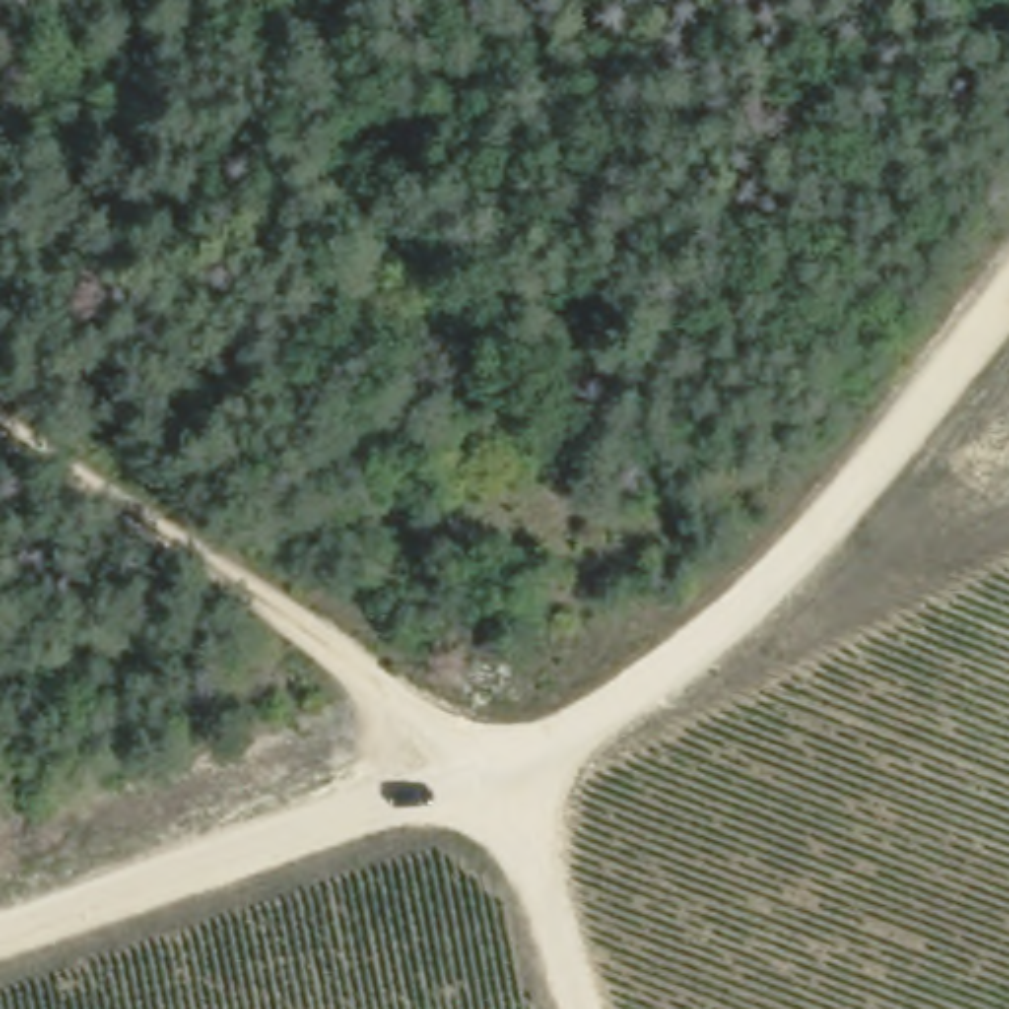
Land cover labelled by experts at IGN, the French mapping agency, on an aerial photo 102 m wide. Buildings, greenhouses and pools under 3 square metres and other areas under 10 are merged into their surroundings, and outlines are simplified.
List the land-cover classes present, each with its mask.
<instances>
[{"label":"coniferous trees","instance_id":"1","mask_svg":"<svg viewBox=\"0 0 1009 1009\"><path fill-rule=\"evenodd\" d=\"M39 0H0V808H12L32 824H47L71 808L102 804L106 796H154L169 780V773L189 769L193 757L205 749L201 741L221 725V717L236 713L233 694L205 698L197 690L205 642H233V627H217L213 615L229 583L213 579L197 552L181 544H162L138 508L79 489L71 465L83 461L95 473L146 493L173 524L201 532L217 552L252 568L260 579H268L300 603L307 591H327L355 603V591L386 579L398 544L382 512L335 524L323 493L359 489L367 481L370 457L382 449L434 453L449 422H457L461 414H481L477 351L485 339L508 343V331L524 339L572 335V398L587 406V426L560 441L556 461L540 469V481L583 508L599 493H619V501L631 505L642 493H654L658 512L674 501L686 505L690 481L749 465V441L769 445L788 441V434L824 430V386L836 355L812 351L808 359L792 355V343L776 347L769 335L773 323L745 307V292L757 268L765 264L761 244L769 240V233H788L792 221H820L836 225L843 240H851L859 252H883L907 233V217L926 201L942 197L950 213L966 221L977 217L997 177H1009V0H816L828 8L840 39L863 35V55L832 59L828 79L808 83L792 106H765V55H780L796 39V20L808 16L812 0H55L63 8L71 43H91L106 55V63L83 71L75 91H43L24 75L35 43L32 8ZM347 12L374 16V51L382 59L449 67L457 75L473 71L485 35H512L532 28L536 63L516 71L520 87L505 91L501 114L489 126L481 150H508L512 126L548 130V114L540 110L544 79L595 75L599 95L615 91V102H650L642 146L646 162L639 169H607V181L623 185L627 197H603L595 209L591 256L599 264V280L587 296L568 300L560 315L548 311L544 292L564 288L568 252L560 244L548 260H532L536 244L548 233L532 225L528 236L508 252L516 292H501V315L473 323L461 311L426 307L422 288L457 272L449 264V240L469 244L489 240L497 233V189L465 193L461 173L453 169L434 177L426 150L437 134V118L410 114L370 122L359 134L343 138L351 154L382 150L390 162H402L406 169L394 193H386L367 217L355 209V201H347V193L331 181V169L311 154L319 130L335 114H343V102L335 99L331 63L323 59V39L347 32ZM804 130H871L879 142L883 173L863 185L820 169L800 146ZM323 284H335L339 292L359 296L374 307V339L382 347L414 343L418 351V359L410 367H398L394 382L378 394V418L386 422V430H343L335 406H323L327 378L319 374L311 382H296L292 390L284 386V374L276 367L280 319L303 315Z\"/></svg>","mask_w":1009,"mask_h":1009},{"label":"vineyard","instance_id":"2","mask_svg":"<svg viewBox=\"0 0 1009 1009\"><path fill-rule=\"evenodd\" d=\"M1005 575L985 579L981 587H974L970 599H958L954 607H934L918 615L910 627H899L887 639L867 642V662H828L804 682H784L776 694H769V702L729 709L717 721L686 729V737L674 745H654L646 757L575 784L572 804L579 808V816L572 824V899L579 910V930L587 938L591 970L603 981V997L611 1009H1009V552L997 556ZM0 1009H556L540 970V950L532 942L512 883L477 840L449 828L370 832L363 840L248 875L233 887L189 895L169 907L0 962Z\"/></svg>","mask_w":1009,"mask_h":1009},{"label":"herbaceous vegetation","instance_id":"3","mask_svg":"<svg viewBox=\"0 0 1009 1009\"><path fill-rule=\"evenodd\" d=\"M1001 248H1009V177H997L977 217L966 221L958 229L954 248L934 252L938 272L918 303V315L895 327L875 347L843 343L836 355L824 386V430L788 434V441L769 445L749 441V465L690 481L686 505L674 501L658 512L654 493H642L631 505L619 501V493H599L583 508L540 481L532 493L520 497H469L457 512L485 520L493 528L532 532L548 548V564H564L575 572V587L556 591L540 619L489 615L473 623V646L485 650V662H465V654H434V666L410 682L426 698L449 706L469 721L516 725L568 709L572 702L587 698L615 674H623L642 654H650L654 646H662L713 599H721L800 520V512L824 493V485L875 430L895 394L910 382L914 367L922 363V351L954 315V303L993 276ZM1009 552V335L989 355V363L970 378L958 402L942 414V422L922 437V445L907 457L895 481L836 544V552L788 599H780L761 627H753L706 674H698L682 694H674L670 706L642 713L607 745H599L583 761L575 784L646 757L654 745H674L686 737V729L717 721L729 709L769 702V694H776L784 682H804L828 662H867V642L887 639L899 627H910L918 615L934 607H954L958 599H970L974 587H981L985 579L1005 575L997 556ZM213 615L217 627H233V642H205L197 690L205 698L233 694L236 713L221 717V725L201 741L205 749L193 757L189 769L169 773V780L154 796H106L102 804L71 808L47 824H32L12 808H0V907L71 887L102 867L130 863L158 847H173L189 836H209L213 828H236L284 812L288 804L331 784V753L359 749L363 721L347 690L288 635L268 627L252 611V599L229 583ZM363 646L370 639V627L363 623L355 603L327 591H307L300 603Z\"/></svg>","mask_w":1009,"mask_h":1009},{"label":"deciduous trees","instance_id":"4","mask_svg":"<svg viewBox=\"0 0 1009 1009\"><path fill-rule=\"evenodd\" d=\"M35 43L24 75L43 91H75L83 71L106 63V55L91 43H71L63 8L55 0H39L32 8ZM863 55V35L840 39L828 8L816 0H812L808 16L796 20V39L780 55H765V106H792L808 83L828 79L832 59ZM374 16L347 12V32L323 39V59L331 63L335 99L343 102V114H335L319 130L311 154L331 169V181L347 193V201H355V209L367 217L386 193H394L406 169L402 162H390L382 150L351 154L343 138L359 134L370 122L410 114L437 118V134L426 150L434 177L453 169L461 173L465 193L497 189V233L489 240L469 244L449 240V264L457 272L422 288L426 307L461 311L473 323L501 315V292H516L508 252L528 236L532 225L548 233L536 244L532 260H548L560 244L568 252L564 288L544 292L548 311L560 315L568 300L587 296L599 280V264L591 256L595 209L603 197H627L623 185L607 181V169H639L646 162L642 146L650 102H615V91L599 95L595 75L544 79L540 110L548 114V130L512 126L508 150H481L489 126L501 114L505 91L520 87L516 71L536 63L532 28L512 35H485L473 71L457 75L449 67L382 59L374 51ZM800 146L820 169L863 185L883 173L879 142L871 130H804ZM966 221L950 213L942 197L926 201L907 217V233L883 252H859L851 240H843L836 225L820 221H792L788 233H769V240L761 244L765 264L757 268L745 292V307L773 323L769 335L776 347L792 343V355L808 359L812 351L836 355L843 343L875 347L895 327L918 315V303L938 272L934 252L954 248L958 229ZM418 359V351L414 343L382 347L374 339V307L359 296L339 292L335 284H323L303 315L280 319L276 367L284 374V386L292 390L296 382H311L319 374L327 378L323 406H335L343 430H386V422L378 418V394L394 382L398 367H410ZM572 335L524 339L508 331V343L485 339L477 351L481 414H461L457 422H449L434 453L382 449L370 457L367 481L359 489L323 493L335 524L382 512L398 544L386 579L355 591V603L363 623L370 627V639L363 646L386 674L410 682L434 666V654H465V662H485V650L473 646V623L489 615L540 619L556 591L575 587V572L564 564H548V548L532 532L493 528L485 520L457 512L469 497H520L532 493L540 481V469L556 461L560 441L587 426V406L572 398Z\"/></svg>","mask_w":1009,"mask_h":1009},{"label":"pervious surface","instance_id":"5","mask_svg":"<svg viewBox=\"0 0 1009 1009\"><path fill-rule=\"evenodd\" d=\"M1009 335V248H1001L993 276L954 303V315L922 351V363L914 367L910 382L895 394L875 430L824 485V493L800 512V520L721 599H713L662 646H654L650 654H642L623 674H615L587 698L572 702L568 709L516 725L469 721L449 706L426 698L410 682L386 674L363 646L300 603L268 579H260L252 568L217 552L201 532L173 524L146 493L95 473L83 461L71 465L79 489L138 508L162 544H181L197 552L213 579L229 583L252 599V611L268 627L288 635L347 690L363 721L359 749L331 753V784L288 804L284 812L236 828H213L209 836H189L173 847H158L130 863L102 867L71 887L0 907V962L169 907L189 895L233 887L248 875L363 840L370 832L449 828L477 840L512 883L532 942L540 950V970L556 1009H611L603 997V981L591 970L587 938L579 930V910L572 899V824L579 816V808L572 804L575 784L583 761L599 745H607L642 713L670 706L674 694H682L698 674H706L753 627H761L780 599H788L836 552V544L895 481L907 457L922 445V437L942 422V414L958 402L970 378L989 363V355Z\"/></svg>","mask_w":1009,"mask_h":1009}]
</instances>
